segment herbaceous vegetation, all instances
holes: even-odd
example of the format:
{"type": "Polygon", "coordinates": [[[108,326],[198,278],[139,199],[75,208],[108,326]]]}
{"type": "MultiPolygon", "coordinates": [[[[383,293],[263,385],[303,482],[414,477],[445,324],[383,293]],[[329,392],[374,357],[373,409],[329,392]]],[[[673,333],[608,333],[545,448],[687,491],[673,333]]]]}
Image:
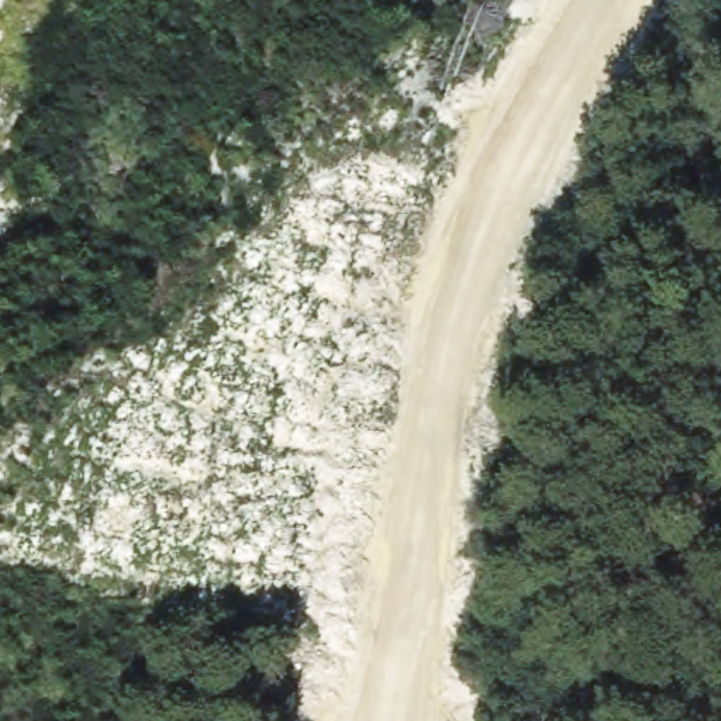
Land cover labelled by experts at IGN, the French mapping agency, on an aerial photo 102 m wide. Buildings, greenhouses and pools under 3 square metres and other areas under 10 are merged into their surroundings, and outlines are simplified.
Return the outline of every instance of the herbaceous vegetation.
{"type": "Polygon", "coordinates": [[[262,721],[307,721],[301,715],[301,690],[290,701],[276,704],[273,710],[259,710],[262,721]]]}
{"type": "Polygon", "coordinates": [[[161,338],[144,344],[141,349],[96,349],[84,361],[73,363],[70,372],[48,383],[48,394],[73,394],[73,400],[62,408],[59,417],[51,420],[51,425],[45,425],[42,420],[34,420],[28,425],[31,437],[23,451],[31,459],[23,465],[11,456],[8,476],[0,482],[0,532],[31,532],[31,524],[39,524],[39,552],[59,555],[59,563],[54,566],[62,569],[65,577],[73,583],[82,583],[87,575],[82,572],[84,552],[79,535],[68,524],[48,521],[51,510],[56,510],[56,501],[62,496],[62,484],[73,487],[73,499],[79,504],[76,518],[93,524],[96,513],[107,507],[101,504],[101,479],[107,465],[90,456],[90,439],[110,442],[110,422],[115,422],[121,406],[149,408],[146,400],[130,394],[132,377],[149,380],[166,372],[172,363],[180,363],[189,349],[208,346],[211,335],[217,332],[214,310],[234,279],[237,248],[242,248],[245,237],[256,228],[265,206],[282,211],[290,203],[282,189],[282,146],[287,141],[301,141],[307,146],[307,155],[315,158],[324,169],[358,155],[397,158],[400,152],[406,152],[425,155],[425,172],[439,169],[445,163],[445,144],[456,138],[456,130],[442,124],[431,107],[406,99],[400,93],[400,82],[422,70],[445,73],[448,56],[456,45],[456,34],[428,31],[420,14],[408,11],[406,3],[377,0],[0,0],[0,96],[6,99],[6,110],[20,113],[17,124],[11,127],[11,144],[23,146],[25,155],[37,155],[51,175],[70,175],[79,169],[79,152],[87,144],[87,132],[104,118],[104,113],[115,107],[124,96],[130,96],[138,104],[144,115],[144,130],[138,132],[132,152],[138,163],[127,169],[127,203],[113,203],[115,217],[107,228],[135,237],[130,253],[146,256],[158,265],[149,313],[163,315],[163,324],[169,327],[161,338]],[[290,48],[293,39],[304,31],[310,31],[315,39],[327,39],[330,34],[335,34],[352,42],[352,59],[369,70],[352,82],[296,82],[290,76],[290,48]]]}
{"type": "Polygon", "coordinates": [[[206,628],[194,631],[200,645],[242,642],[245,631],[256,625],[293,628],[299,634],[301,620],[307,617],[307,606],[299,589],[290,586],[256,589],[245,594],[239,586],[222,586],[220,591],[208,583],[166,589],[158,583],[132,583],[127,577],[90,577],[90,583],[99,589],[96,594],[68,600],[48,589],[48,566],[0,560],[0,704],[3,693],[11,687],[56,679],[65,682],[65,696],[59,701],[39,698],[37,704],[0,715],[0,721],[121,721],[115,715],[115,704],[132,684],[121,682],[121,673],[132,665],[135,656],[141,656],[141,645],[149,645],[158,625],[186,625],[194,614],[206,614],[206,628]]]}

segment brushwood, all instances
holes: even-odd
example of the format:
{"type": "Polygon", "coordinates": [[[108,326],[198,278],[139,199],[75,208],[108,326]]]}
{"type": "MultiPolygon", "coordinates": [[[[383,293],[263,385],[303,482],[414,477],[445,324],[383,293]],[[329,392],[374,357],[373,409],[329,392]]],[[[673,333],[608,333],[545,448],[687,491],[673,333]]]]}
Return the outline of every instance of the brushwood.
{"type": "Polygon", "coordinates": [[[420,14],[428,31],[456,34],[462,28],[462,17],[470,0],[377,0],[406,3],[408,11],[420,14]]]}
{"type": "Polygon", "coordinates": [[[65,696],[65,682],[56,679],[11,687],[3,693],[0,704],[0,715],[37,704],[39,698],[59,701],[65,696]]]}
{"type": "Polygon", "coordinates": [[[183,679],[172,682],[155,676],[146,667],[146,659],[141,656],[135,656],[132,665],[121,673],[121,682],[132,684],[115,704],[115,715],[121,721],[146,721],[152,710],[163,713],[175,704],[192,701],[239,701],[259,710],[273,710],[276,704],[290,701],[301,690],[301,676],[293,667],[276,684],[268,682],[268,676],[259,667],[248,667],[248,673],[234,687],[206,690],[183,679]]]}
{"type": "Polygon", "coordinates": [[[369,70],[352,59],[352,42],[335,34],[330,34],[327,39],[315,39],[310,31],[304,31],[293,39],[290,48],[290,76],[296,82],[352,82],[369,70]]]}
{"type": "Polygon", "coordinates": [[[79,169],[70,175],[51,175],[37,155],[25,155],[23,146],[11,144],[11,149],[0,149],[0,437],[6,437],[17,422],[28,425],[34,420],[42,420],[45,425],[51,425],[51,420],[59,417],[62,408],[73,400],[73,394],[48,394],[48,383],[70,372],[73,363],[84,361],[96,349],[141,349],[144,344],[161,338],[169,327],[163,324],[163,315],[149,313],[158,265],[146,256],[130,253],[135,237],[107,228],[115,217],[113,203],[127,203],[127,169],[138,163],[132,152],[138,132],[144,130],[144,115],[138,104],[130,96],[124,96],[115,107],[104,113],[104,118],[87,132],[87,144],[79,152],[79,169]]]}
{"type": "Polygon", "coordinates": [[[87,575],[82,583],[73,583],[65,577],[62,569],[54,566],[48,566],[48,589],[68,600],[96,594],[99,589],[90,583],[90,577],[87,575]]]}

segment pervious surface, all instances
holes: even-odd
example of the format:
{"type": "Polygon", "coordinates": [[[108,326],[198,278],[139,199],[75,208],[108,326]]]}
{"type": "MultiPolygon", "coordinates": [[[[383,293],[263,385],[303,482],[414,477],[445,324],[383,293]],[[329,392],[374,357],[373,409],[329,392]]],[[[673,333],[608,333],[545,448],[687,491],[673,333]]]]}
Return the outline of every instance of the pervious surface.
{"type": "Polygon", "coordinates": [[[501,656],[510,656],[521,645],[515,625],[521,622],[521,597],[515,591],[501,591],[484,575],[487,569],[496,569],[499,555],[487,555],[487,546],[476,529],[501,529],[501,524],[496,521],[496,513],[479,513],[470,504],[473,484],[482,479],[484,456],[493,453],[499,445],[499,422],[510,414],[510,406],[518,391],[501,391],[493,383],[496,363],[501,358],[524,355],[524,346],[532,335],[532,321],[527,318],[527,313],[532,307],[521,296],[524,248],[535,225],[532,211],[552,206],[563,186],[572,183],[577,175],[577,132],[583,107],[608,90],[608,59],[620,51],[628,31],[639,25],[642,14],[653,8],[656,14],[665,14],[673,0],[470,0],[462,17],[462,28],[456,34],[456,45],[448,56],[445,73],[422,70],[400,82],[400,93],[406,99],[431,107],[442,124],[456,130],[456,138],[445,144],[445,163],[439,169],[425,172],[425,155],[406,152],[400,152],[397,158],[358,155],[324,169],[315,158],[307,155],[307,146],[301,141],[287,141],[282,146],[282,189],[290,203],[282,211],[265,206],[256,228],[245,237],[242,248],[237,248],[234,279],[214,310],[217,332],[211,335],[208,346],[189,349],[180,363],[172,363],[166,372],[149,380],[132,377],[130,394],[146,400],[149,408],[121,406],[115,422],[110,422],[110,442],[90,439],[90,456],[107,465],[101,479],[101,504],[107,507],[96,513],[93,524],[101,529],[99,541],[93,541],[87,529],[79,535],[84,552],[82,572],[87,575],[90,577],[127,577],[132,583],[158,583],[166,589],[208,583],[220,591],[222,586],[239,586],[245,594],[256,589],[290,586],[299,589],[307,606],[307,617],[301,620],[299,634],[293,667],[301,676],[301,690],[301,715],[307,721],[513,721],[501,713],[499,696],[493,696],[487,687],[493,684],[496,665],[501,662],[501,656]]]}

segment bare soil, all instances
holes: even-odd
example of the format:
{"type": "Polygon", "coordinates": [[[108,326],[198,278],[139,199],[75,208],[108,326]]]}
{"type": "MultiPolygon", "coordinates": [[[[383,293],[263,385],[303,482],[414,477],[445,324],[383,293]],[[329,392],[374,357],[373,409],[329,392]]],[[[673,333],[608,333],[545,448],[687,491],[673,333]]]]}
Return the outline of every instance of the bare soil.
{"type": "Polygon", "coordinates": [[[48,566],[54,566],[59,563],[59,555],[39,552],[39,524],[31,524],[31,532],[0,532],[0,560],[48,566]]]}
{"type": "Polygon", "coordinates": [[[93,524],[76,518],[79,504],[73,499],[73,487],[62,484],[62,496],[56,501],[56,510],[51,510],[48,521],[68,524],[79,535],[87,529],[93,541],[99,541],[101,529],[93,524]]]}
{"type": "Polygon", "coordinates": [[[17,124],[20,113],[6,110],[6,99],[0,96],[0,149],[11,149],[11,144],[11,127],[17,124]]]}
{"type": "Polygon", "coordinates": [[[28,425],[17,422],[6,437],[0,437],[0,482],[8,476],[11,456],[23,465],[31,459],[23,451],[31,437],[28,425]]]}

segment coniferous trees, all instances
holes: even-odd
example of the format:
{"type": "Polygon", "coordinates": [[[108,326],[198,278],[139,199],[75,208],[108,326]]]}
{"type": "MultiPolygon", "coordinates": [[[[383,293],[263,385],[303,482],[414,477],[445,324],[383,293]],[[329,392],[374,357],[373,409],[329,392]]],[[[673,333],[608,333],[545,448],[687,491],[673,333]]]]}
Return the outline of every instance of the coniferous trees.
{"type": "Polygon", "coordinates": [[[293,667],[299,634],[293,628],[256,625],[245,631],[242,642],[200,645],[194,631],[206,628],[206,614],[194,614],[186,625],[158,625],[149,645],[141,645],[141,656],[146,659],[146,667],[155,676],[172,682],[183,679],[206,690],[234,687],[248,673],[248,667],[259,667],[268,676],[268,682],[276,684],[293,667]]]}
{"type": "Polygon", "coordinates": [[[577,175],[572,183],[563,186],[552,206],[532,211],[535,225],[524,248],[521,296],[532,307],[527,313],[527,318],[532,321],[532,335],[524,346],[524,355],[501,358],[496,363],[493,383],[501,391],[518,391],[510,406],[510,414],[499,422],[499,445],[493,453],[484,456],[482,479],[473,484],[470,504],[479,513],[496,513],[496,521],[501,524],[501,529],[476,529],[487,546],[487,555],[499,555],[496,569],[487,569],[484,575],[501,591],[515,591],[521,597],[521,622],[515,625],[521,645],[510,656],[501,656],[501,662],[496,665],[493,684],[487,687],[493,696],[499,696],[501,713],[513,721],[721,721],[721,0],[673,0],[665,14],[656,14],[653,8],[642,14],[639,25],[628,31],[620,51],[608,59],[608,90],[583,107],[577,132],[577,175]]]}
{"type": "Polygon", "coordinates": [[[152,710],[146,721],[262,721],[259,710],[239,701],[192,701],[175,704],[163,713],[152,710]]]}

